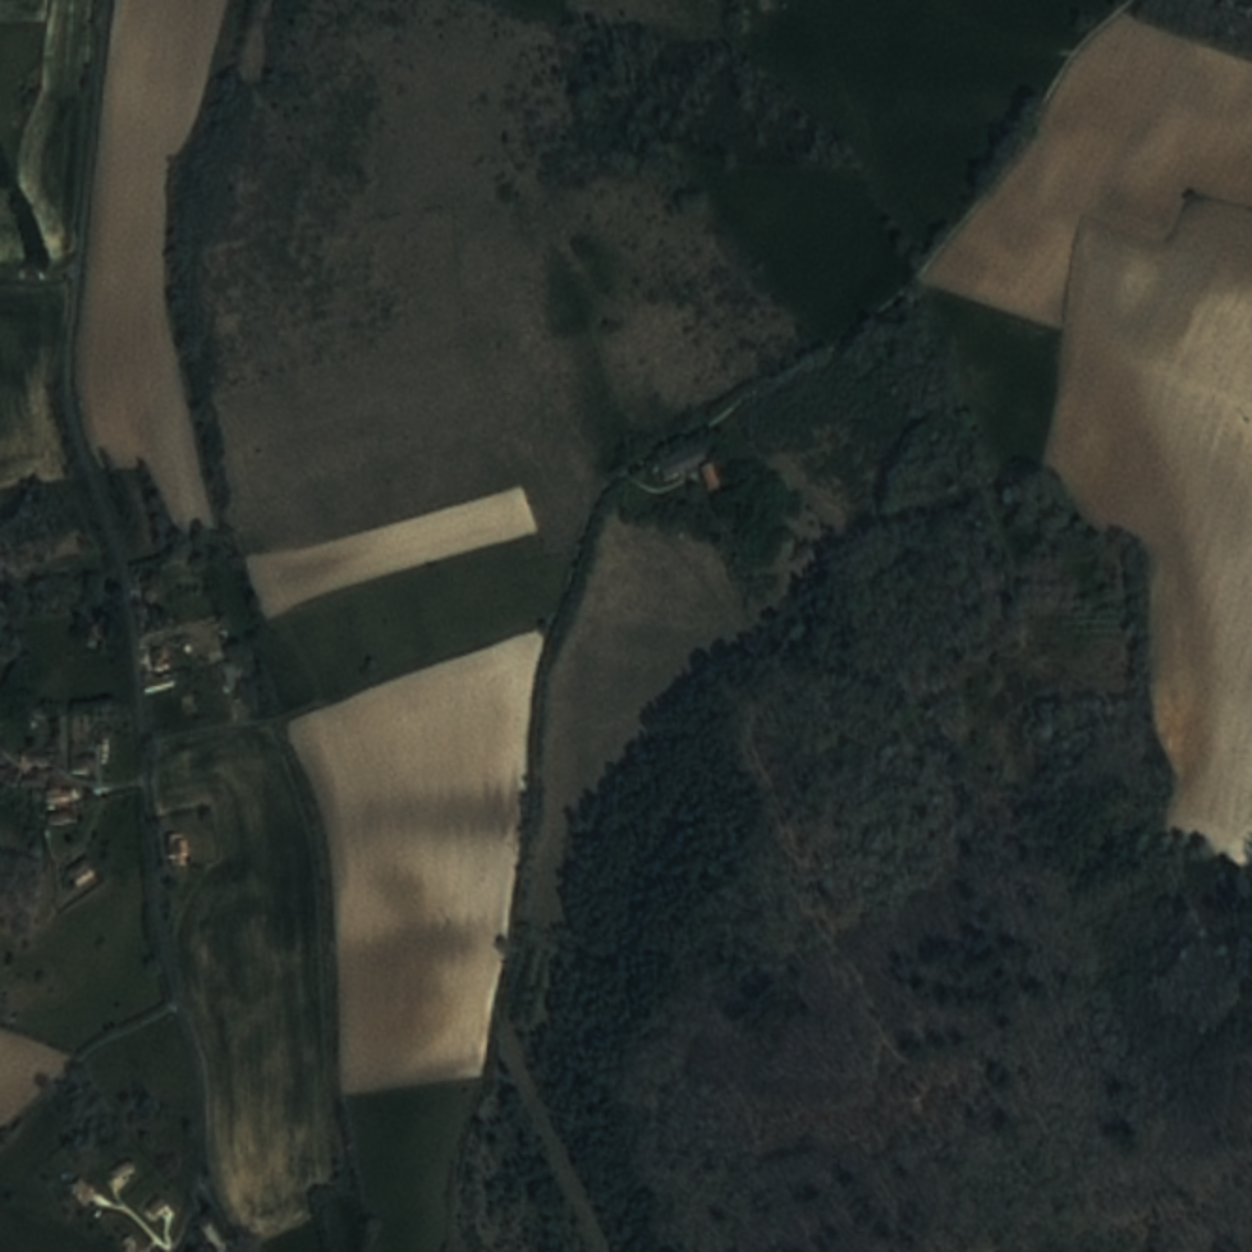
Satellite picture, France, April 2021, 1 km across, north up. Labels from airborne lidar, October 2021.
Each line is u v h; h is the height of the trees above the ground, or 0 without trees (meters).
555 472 0
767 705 20
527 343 0
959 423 19
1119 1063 17
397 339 0
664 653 0
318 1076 0
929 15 0
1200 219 0
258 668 10
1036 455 0
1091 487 0
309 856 0
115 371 0
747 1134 15
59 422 13
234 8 0
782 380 9
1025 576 10
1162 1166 17
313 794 0
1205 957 17
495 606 0
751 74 11
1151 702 13
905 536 22
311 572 0
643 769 18
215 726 0
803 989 17
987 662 15
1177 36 9
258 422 0
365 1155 0
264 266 0
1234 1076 8
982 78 0
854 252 0
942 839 12
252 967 0
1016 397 0
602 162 6
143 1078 0
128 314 0
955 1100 11
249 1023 0
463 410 0
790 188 0
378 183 0
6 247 0
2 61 0
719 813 22
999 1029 16
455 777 0
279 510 0
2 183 11
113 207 0
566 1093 14
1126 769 22
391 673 0
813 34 0
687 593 0
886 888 15
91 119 0
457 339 0
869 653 24
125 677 0
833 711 17
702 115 12
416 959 0
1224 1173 20
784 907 18
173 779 0
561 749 0
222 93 8
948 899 12
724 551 10
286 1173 0
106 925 0
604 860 18
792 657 18
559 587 0
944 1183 14
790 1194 18
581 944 14
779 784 9
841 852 12
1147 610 11
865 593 25
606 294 0
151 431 0
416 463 0
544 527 0
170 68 0
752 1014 27
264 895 0
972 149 0
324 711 0
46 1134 0
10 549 14
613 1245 10
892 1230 19
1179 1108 19
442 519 0
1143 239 0
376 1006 0
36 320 0
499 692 0
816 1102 12
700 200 20
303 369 0
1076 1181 15
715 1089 16
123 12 0
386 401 0
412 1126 0
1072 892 10
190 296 7
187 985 0
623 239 0
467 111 0
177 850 0
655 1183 15
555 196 0
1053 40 0
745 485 9
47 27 0
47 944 0
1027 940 15
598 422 0
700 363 0
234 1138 0
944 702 10
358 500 0
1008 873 16
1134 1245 16
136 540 6
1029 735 11
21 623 11
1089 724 15
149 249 0
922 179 0
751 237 0
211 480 13
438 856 0
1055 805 20
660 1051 17
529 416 0
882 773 16
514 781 0
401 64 0
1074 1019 16
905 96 0
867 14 0
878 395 9
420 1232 0
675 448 9
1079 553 12
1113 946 11
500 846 0
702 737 20
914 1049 17
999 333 0
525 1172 13
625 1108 14
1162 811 16
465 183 0
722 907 22
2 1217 0
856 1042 13
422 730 0
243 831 0
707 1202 19
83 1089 11
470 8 0
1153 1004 15
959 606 20
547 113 0
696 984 19
